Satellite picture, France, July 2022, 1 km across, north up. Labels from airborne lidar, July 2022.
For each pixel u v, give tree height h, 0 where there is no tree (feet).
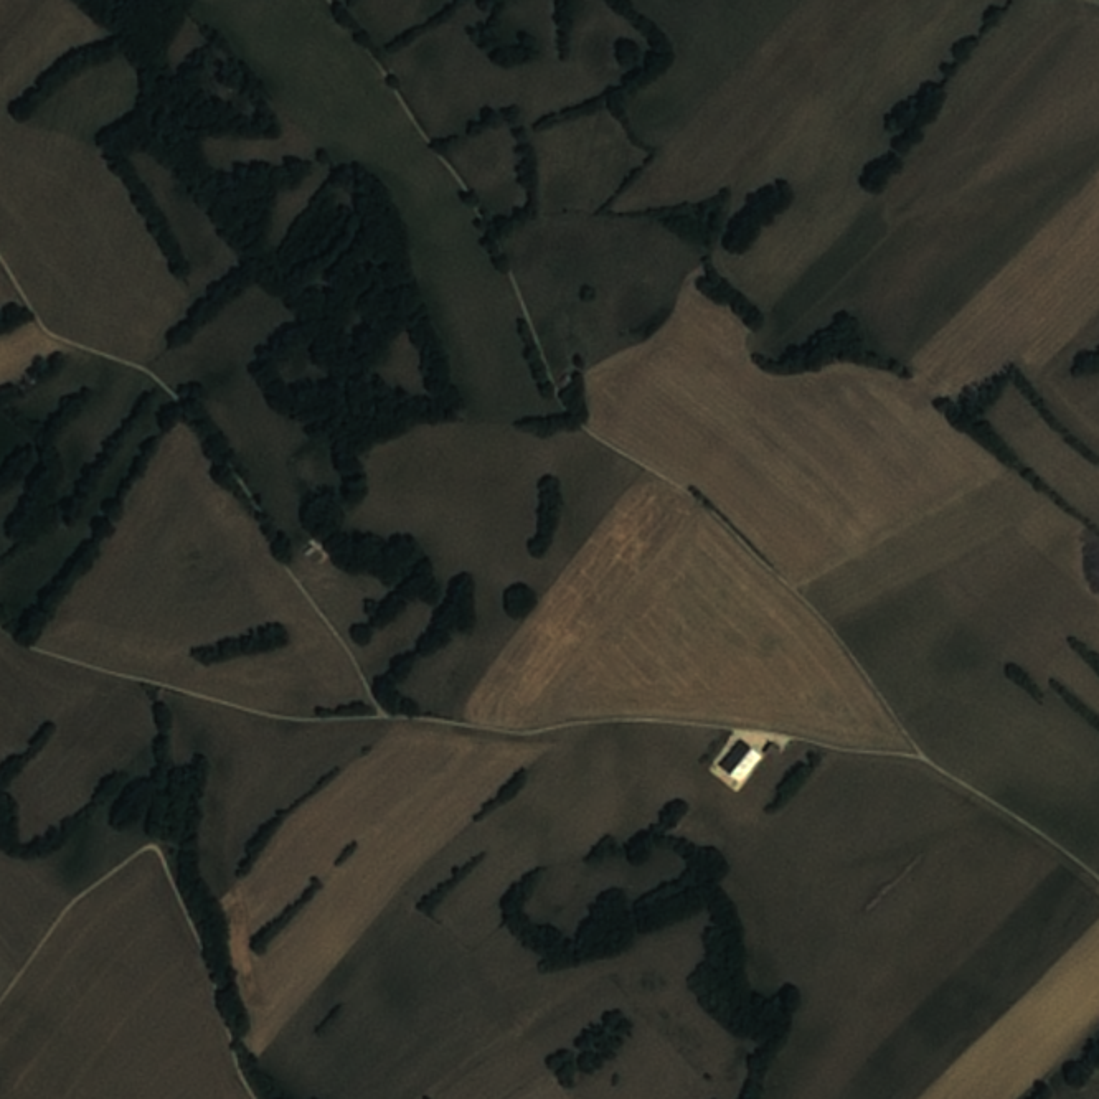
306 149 0
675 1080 0
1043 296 0
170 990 0
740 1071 0
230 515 0
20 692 0
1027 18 0
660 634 0
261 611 0
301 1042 0
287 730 0
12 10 0
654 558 0
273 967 0
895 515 0
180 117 60
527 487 0
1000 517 0
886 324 0
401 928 0
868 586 0
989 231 0
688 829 0
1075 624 0
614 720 0
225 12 0
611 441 0
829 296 0
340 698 0
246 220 46
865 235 0
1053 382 0
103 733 0
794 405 0
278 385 70
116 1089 0
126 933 0
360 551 54
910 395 0
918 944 0
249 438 0
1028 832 0
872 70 0
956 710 0
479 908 0
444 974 0
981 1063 0
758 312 51
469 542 0
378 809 0
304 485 0
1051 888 0
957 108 0
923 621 0
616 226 0
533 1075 0
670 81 0
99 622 0
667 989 0
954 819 0
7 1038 0
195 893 52
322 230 30
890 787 0
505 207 0
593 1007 0
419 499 0
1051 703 0
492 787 0
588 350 0
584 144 0
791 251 0
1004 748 0
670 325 0
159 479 0
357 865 0
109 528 55
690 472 0
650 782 0
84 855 0
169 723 46
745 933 48
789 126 0
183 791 57
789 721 0
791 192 53
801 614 0
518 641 0
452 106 0
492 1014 0
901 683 0
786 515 0
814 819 0
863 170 0
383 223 66
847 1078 0
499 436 0
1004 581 0
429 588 60
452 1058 0
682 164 0
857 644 0
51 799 0
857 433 0
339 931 0
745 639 0
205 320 44
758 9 0
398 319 52
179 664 0
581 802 0
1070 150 0
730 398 0
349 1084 0
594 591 0
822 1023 0
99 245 0
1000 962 0
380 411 52
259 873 0
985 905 0
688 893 42
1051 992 0
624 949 25
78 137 0
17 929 0
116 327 0
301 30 0
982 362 0
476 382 0
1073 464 0
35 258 0
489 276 0
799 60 0
